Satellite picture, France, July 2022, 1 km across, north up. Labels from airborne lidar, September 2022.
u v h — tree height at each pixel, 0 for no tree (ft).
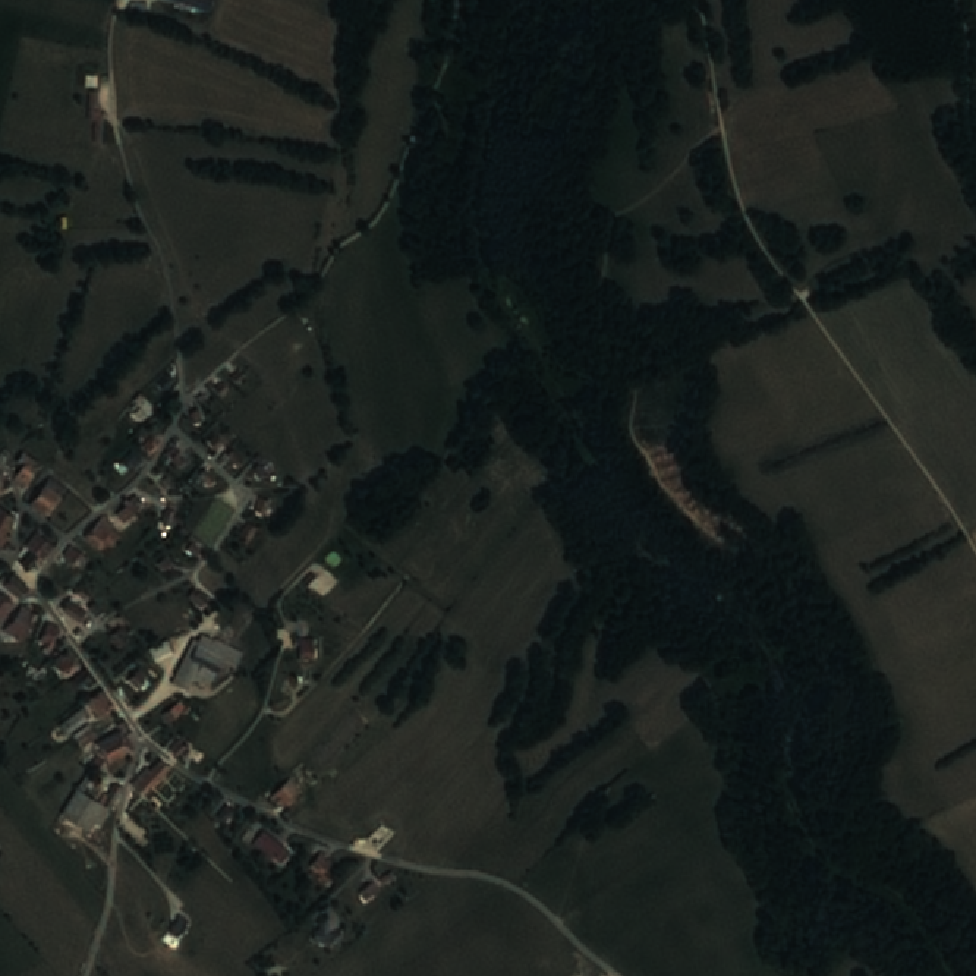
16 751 0
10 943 0
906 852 73
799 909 85
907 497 0
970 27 31
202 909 0
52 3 0
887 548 0
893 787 0
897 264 43
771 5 0
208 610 22
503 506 0
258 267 0
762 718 60
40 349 0
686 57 0
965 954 90
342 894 0
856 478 0
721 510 65
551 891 0
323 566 0
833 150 0
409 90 0
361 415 0
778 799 80
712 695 69
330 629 0
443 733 0
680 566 94
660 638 54
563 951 0
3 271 0
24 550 0
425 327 0
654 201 0
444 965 0
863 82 0
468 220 65
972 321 20
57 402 22
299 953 0
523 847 0
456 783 0
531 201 50
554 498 76
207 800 24
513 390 55
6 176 27
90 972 0
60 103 0
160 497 0
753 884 34
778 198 0
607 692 0
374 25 71
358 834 0
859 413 0
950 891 86
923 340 0
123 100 0
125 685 0
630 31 68
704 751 0
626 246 68
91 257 61
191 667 0
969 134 55
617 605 80
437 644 44
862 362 0
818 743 83
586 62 89
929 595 0
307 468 0
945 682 0
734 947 0
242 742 0
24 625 0
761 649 52
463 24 48
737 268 0
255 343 0
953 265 55
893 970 47
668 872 0
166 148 0
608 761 0
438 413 0
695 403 66
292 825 0
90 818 0
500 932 0
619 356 64
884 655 0
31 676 0
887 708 29
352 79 66
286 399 0
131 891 0
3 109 0
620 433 72
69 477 0
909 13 42
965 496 0
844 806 58
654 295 0
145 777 0
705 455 69
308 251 0
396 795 0
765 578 35
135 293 0
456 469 29
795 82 44
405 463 72
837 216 0
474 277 33
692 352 62
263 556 0
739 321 61
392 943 0
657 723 0
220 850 0
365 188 0
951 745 0
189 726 0
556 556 0
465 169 71
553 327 33
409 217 72
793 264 65
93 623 0
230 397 0
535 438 100
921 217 0
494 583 0
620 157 0
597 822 53
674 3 80
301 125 0
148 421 22
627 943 0
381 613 0
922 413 0
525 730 54
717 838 0
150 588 0
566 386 0
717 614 81
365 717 0
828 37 0
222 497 0
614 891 0
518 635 0
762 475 0
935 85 0
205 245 0
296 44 0
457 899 0
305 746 0
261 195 0
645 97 84
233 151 0
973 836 0
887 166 0
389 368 0
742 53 44
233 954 0
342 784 0
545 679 50
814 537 0
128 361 70
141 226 44
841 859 94
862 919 67
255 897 0
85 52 0
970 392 0
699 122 0
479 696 0
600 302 48
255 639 0
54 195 36
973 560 0
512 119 68
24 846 0
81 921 0
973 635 0
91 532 0
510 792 40
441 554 0
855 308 0
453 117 18
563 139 69
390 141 0
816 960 89
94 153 0
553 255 80
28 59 0
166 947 0
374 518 64
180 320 0
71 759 0
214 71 0
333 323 0
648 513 108
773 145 0
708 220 0
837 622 68
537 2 65
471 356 0
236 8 0
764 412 0
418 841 0
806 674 79
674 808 0
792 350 0
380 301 0
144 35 0
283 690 0
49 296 0
